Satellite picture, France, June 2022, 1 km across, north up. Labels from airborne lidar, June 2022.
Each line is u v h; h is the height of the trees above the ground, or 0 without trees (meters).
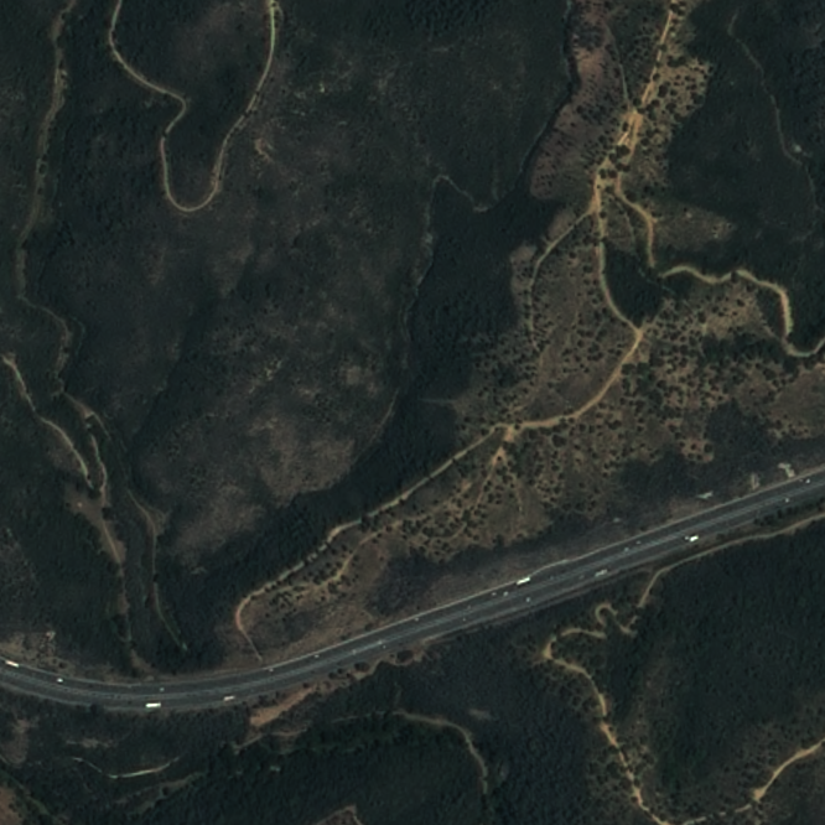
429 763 8
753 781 15
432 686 11
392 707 7
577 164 0
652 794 0
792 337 12
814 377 0
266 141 0
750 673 8
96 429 11
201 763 8
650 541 0
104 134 9
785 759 0
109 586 8
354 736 18
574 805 10
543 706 10
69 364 10
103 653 7
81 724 9
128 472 8
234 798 17
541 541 7
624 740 6
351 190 5
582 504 8
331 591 6
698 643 7
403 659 13
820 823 0
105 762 9
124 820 9
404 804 7
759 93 8
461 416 0
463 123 7
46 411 9
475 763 9
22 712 7
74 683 0
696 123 9
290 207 0
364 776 16
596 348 8
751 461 10
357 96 8
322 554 7
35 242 9
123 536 6
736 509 0
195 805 8
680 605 9
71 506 6
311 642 0
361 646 0
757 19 12
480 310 10
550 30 7
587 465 0
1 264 9
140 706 0
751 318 0
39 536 6
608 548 0
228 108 10
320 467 0
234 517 0
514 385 7
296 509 11
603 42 11
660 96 9
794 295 8
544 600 0
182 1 7
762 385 0
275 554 10
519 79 8
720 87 10
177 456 6
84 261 6
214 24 0
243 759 15
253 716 16
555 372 0
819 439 7
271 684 0
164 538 10
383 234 6
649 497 7
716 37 12
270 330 0
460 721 7
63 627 9
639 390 11
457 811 5
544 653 0
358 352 8
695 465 7
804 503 0
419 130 8
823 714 7
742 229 6
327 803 8
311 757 20
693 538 0
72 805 7
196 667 7
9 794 0
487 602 0
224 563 7
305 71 7
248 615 0
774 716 6
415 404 6
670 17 0
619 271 10
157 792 6
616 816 7
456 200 5
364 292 6
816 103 8
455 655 13
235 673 0
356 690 12
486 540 0
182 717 10
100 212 15
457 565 7
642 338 0
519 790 13
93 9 9
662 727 9
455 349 11
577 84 7
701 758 8
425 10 15
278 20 6
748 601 10
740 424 10
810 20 9
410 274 9
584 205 0
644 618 9
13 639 0
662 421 7
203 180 0
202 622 9
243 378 0
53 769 10
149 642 13
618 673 10
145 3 6
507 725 12
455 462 7
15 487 10
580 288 0
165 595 10
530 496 0
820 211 7
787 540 11
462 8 14
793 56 12
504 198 8
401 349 7
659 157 7
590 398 0
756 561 13
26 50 6
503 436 0
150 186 6
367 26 7
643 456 0
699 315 6
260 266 0
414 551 8
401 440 11
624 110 7
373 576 0
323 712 6
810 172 8
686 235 0
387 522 0
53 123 8
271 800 19
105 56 10
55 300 7
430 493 0
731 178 7
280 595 6
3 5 12
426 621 0
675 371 6
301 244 10
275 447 0
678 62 8
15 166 10
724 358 7
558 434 6
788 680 6
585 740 7
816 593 6
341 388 6
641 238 0
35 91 8
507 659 7
